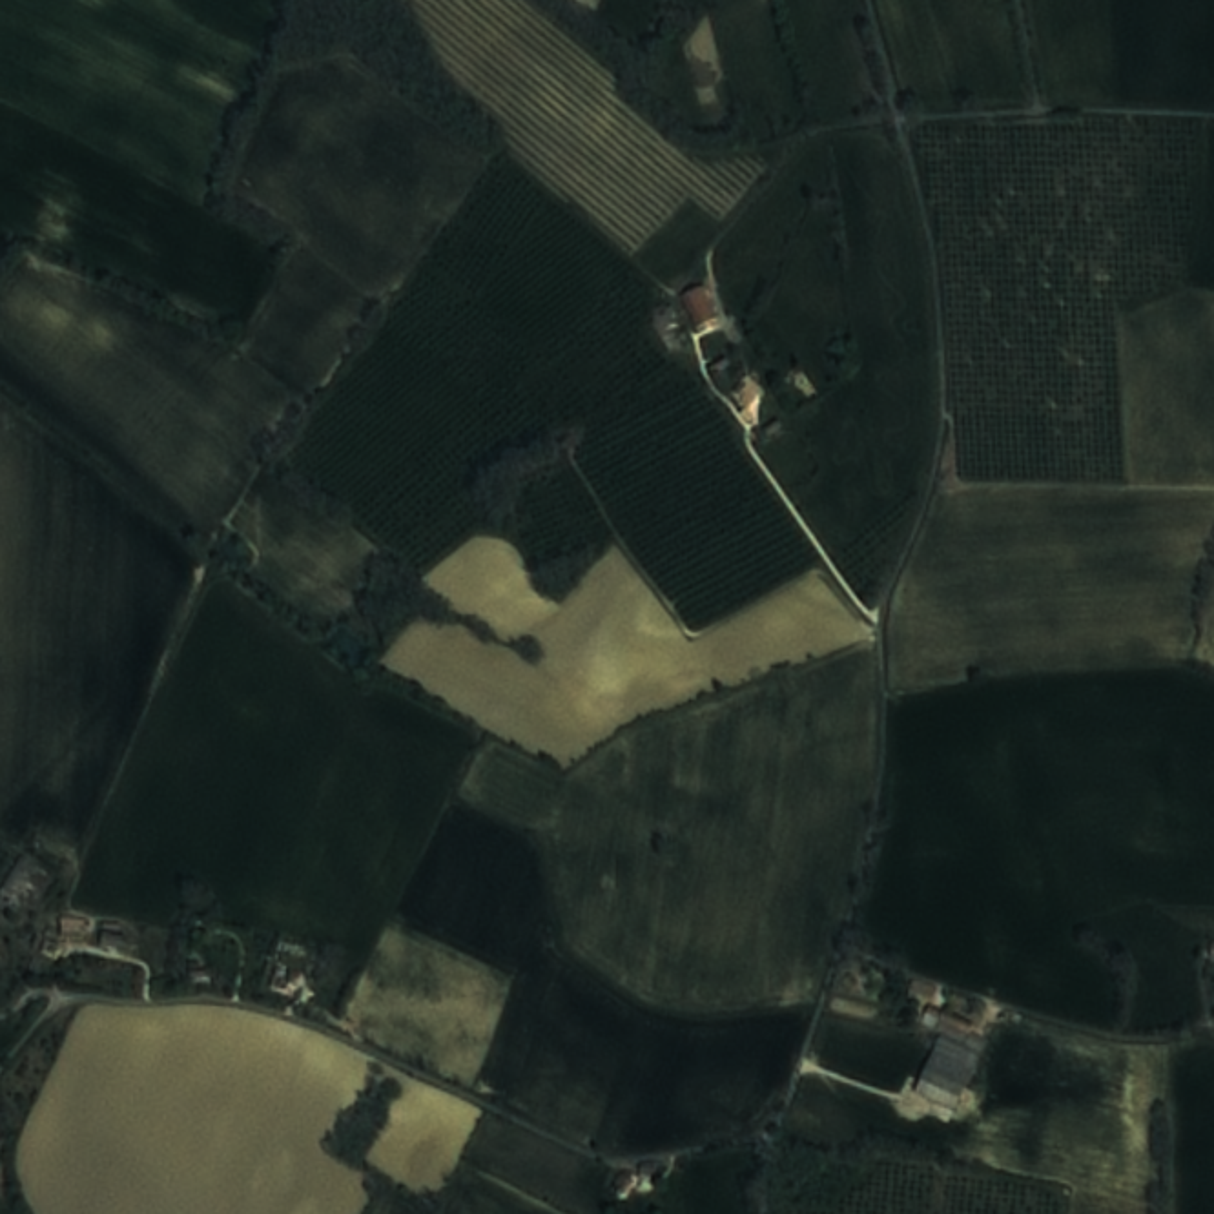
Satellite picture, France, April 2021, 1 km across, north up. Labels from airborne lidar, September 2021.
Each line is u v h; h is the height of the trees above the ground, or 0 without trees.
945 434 0
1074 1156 0
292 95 0
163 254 0
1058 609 0
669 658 0
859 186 0
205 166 0
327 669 0
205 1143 0
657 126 11
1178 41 0
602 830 0
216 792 0
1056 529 0
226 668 0
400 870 0
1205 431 0
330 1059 0
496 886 0
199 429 0
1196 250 0
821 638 0
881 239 0
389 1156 0
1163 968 0
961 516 0
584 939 0
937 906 0
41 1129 0
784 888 0
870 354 0
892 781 0
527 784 0
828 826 0
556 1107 0
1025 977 0
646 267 0
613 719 0
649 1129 0
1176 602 0
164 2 0
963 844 0
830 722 0
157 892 0
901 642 0
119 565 0
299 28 21
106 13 0
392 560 6
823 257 0
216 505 0
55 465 0
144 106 0
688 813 0
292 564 0
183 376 0
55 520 0
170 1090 0
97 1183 0
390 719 0
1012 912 0
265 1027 0
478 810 0
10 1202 7
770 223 0
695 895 0
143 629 0
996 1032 0
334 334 0
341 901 0
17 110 0
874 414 0
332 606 0
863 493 0
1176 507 0
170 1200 0
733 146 19
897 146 15
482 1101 8
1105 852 0
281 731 0
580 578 19
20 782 0
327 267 0
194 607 0
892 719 0
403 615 21
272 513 0
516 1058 0
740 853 0
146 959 0
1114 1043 0
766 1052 0
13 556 0
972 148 6
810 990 0
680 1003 0
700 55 0
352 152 0
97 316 0
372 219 0
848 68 0
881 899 0
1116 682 0
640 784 0
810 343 0
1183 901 0
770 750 0
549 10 17
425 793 0
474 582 0
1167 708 0
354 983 10
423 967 0
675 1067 0
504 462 16
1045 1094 0
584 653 0
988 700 0
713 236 0
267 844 0
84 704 0
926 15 0
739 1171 0
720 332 0
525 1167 0
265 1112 0
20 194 0
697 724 0
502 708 0
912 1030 11
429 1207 18
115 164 0
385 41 24
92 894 0
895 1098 0
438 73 21
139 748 0
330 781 0
